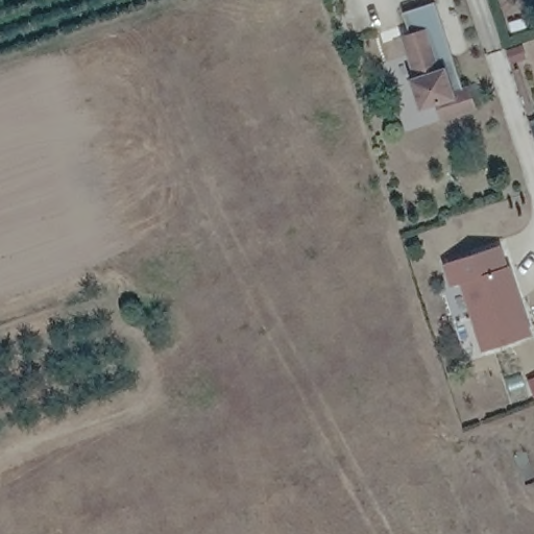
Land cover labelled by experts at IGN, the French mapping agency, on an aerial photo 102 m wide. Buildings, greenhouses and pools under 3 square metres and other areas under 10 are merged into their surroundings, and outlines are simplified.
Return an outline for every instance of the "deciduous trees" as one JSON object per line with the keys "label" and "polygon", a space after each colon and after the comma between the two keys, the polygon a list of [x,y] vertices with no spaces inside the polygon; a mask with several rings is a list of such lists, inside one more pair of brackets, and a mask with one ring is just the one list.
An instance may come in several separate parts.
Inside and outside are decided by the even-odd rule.
{"label": "deciduous trees", "polygon": [[77,315],[73,319],[52,319],[48,325],[50,344],[42,342],[40,334],[29,327],[21,327],[19,336],[0,340],[0,405],[8,405],[13,409],[6,415],[13,426],[25,428],[35,426],[40,419],[46,417],[63,419],[69,407],[79,409],[92,401],[106,401],[115,392],[134,388],[138,380],[136,371],[129,369],[125,363],[125,355],[129,350],[127,344],[113,332],[111,317],[108,311],[98,309],[92,315]]}
{"label": "deciduous trees", "polygon": [[455,148],[448,150],[451,169],[459,171],[461,175],[471,175],[486,169],[486,190],[467,196],[459,186],[448,184],[446,204],[440,207],[436,204],[434,194],[428,190],[417,192],[415,200],[405,200],[398,192],[398,177],[392,177],[388,181],[390,202],[396,211],[396,217],[409,219],[409,225],[401,229],[401,238],[407,257],[413,261],[419,261],[423,257],[423,244],[419,240],[421,232],[444,225],[446,219],[453,215],[461,215],[478,207],[499,202],[503,188],[507,186],[507,163],[486,152],[480,129],[467,129],[459,142],[455,142]]}
{"label": "deciduous trees", "polygon": [[378,150],[380,154],[388,154],[388,148],[396,148],[398,144],[403,144],[405,140],[401,140],[401,136],[405,129],[401,121],[398,125],[382,125],[378,129]]}
{"label": "deciduous trees", "polygon": [[54,33],[73,31],[79,25],[88,25],[100,19],[108,19],[117,13],[129,10],[129,6],[136,0],[48,0],[50,4],[44,8],[33,8],[31,13],[19,19],[0,23],[0,33],[10,31],[15,27],[23,27],[52,13],[56,13],[60,19],[56,25],[48,25],[38,31],[0,42],[0,54],[29,46]]}
{"label": "deciduous trees", "polygon": [[534,0],[519,0],[524,17],[521,21],[526,25],[534,31]]}
{"label": "deciduous trees", "polygon": [[378,54],[365,50],[365,44],[375,40],[378,33],[375,27],[346,31],[342,27],[340,21],[348,0],[323,0],[334,29],[334,46],[348,69],[357,96],[382,121],[401,117],[401,92],[394,75],[384,67]]}
{"label": "deciduous trees", "polygon": [[136,302],[127,302],[121,307],[121,313],[129,325],[144,330],[154,350],[173,344],[169,305],[165,300],[148,302],[138,296]]}
{"label": "deciduous trees", "polygon": [[461,83],[469,86],[467,100],[474,100],[476,104],[482,106],[496,96],[490,79],[471,81],[465,75],[461,77]]}
{"label": "deciduous trees", "polygon": [[88,302],[90,298],[98,296],[98,284],[94,280],[88,288],[81,286],[67,298],[67,305]]}

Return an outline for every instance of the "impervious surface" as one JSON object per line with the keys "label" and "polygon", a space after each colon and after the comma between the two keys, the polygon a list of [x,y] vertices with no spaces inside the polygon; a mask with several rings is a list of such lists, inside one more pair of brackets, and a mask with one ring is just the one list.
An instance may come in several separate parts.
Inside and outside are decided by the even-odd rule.
{"label": "impervious surface", "polygon": [[398,29],[378,33],[375,40],[365,44],[365,50],[378,54],[384,67],[394,75],[401,92],[401,117],[401,121],[405,129],[409,131],[426,127],[438,121],[436,108],[417,108],[415,104],[413,88],[407,75],[409,71],[413,71],[413,67],[405,60],[405,48]]}
{"label": "impervious surface", "polygon": [[448,319],[457,332],[463,350],[471,357],[471,361],[494,357],[501,353],[511,353],[517,344],[521,346],[534,340],[534,325],[528,327],[530,336],[526,338],[482,350],[471,319],[465,317],[465,294],[459,286],[444,288],[442,300]]}

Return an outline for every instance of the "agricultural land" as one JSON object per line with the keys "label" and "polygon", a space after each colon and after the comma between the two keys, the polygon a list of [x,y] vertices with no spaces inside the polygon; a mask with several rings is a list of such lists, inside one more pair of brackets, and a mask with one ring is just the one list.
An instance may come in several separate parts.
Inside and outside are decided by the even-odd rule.
{"label": "agricultural land", "polygon": [[67,298],[81,286],[88,288],[94,280],[98,271],[96,265],[138,244],[131,229],[127,229],[127,223],[121,223],[121,217],[127,211],[131,211],[131,207],[127,202],[127,192],[117,181],[117,177],[123,173],[123,165],[134,163],[134,159],[131,152],[115,156],[108,148],[108,134],[104,131],[108,125],[113,125],[115,119],[113,115],[104,113],[102,92],[108,83],[94,75],[75,77],[73,60],[67,54],[46,54],[38,58],[27,58],[23,65],[15,69],[0,71],[0,317],[13,315],[15,311],[42,302],[46,298]]}

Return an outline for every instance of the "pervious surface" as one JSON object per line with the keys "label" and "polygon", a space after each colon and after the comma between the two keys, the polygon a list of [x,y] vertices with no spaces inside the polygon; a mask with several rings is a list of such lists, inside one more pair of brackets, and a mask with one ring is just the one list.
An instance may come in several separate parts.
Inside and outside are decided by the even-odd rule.
{"label": "pervious surface", "polygon": [[378,33],[398,29],[401,10],[411,10],[421,4],[436,2],[446,42],[451,46],[451,52],[457,54],[467,50],[467,42],[459,17],[448,10],[448,4],[444,0],[348,0],[340,21],[342,27],[346,31],[375,27]]}
{"label": "pervious surface", "polygon": [[144,330],[129,325],[121,313],[111,317],[113,332],[127,344],[131,344],[140,353],[140,365],[136,371],[138,380],[134,388],[115,392],[106,401],[92,401],[79,409],[69,407],[63,419],[46,417],[40,419],[35,426],[25,428],[15,440],[4,438],[4,446],[0,446],[0,474],[38,455],[50,453],[60,446],[77,444],[92,436],[111,432],[115,426],[134,423],[144,415],[154,413],[154,409],[167,396],[163,394],[163,378],[156,367],[154,350]]}
{"label": "pervious surface", "polygon": [[505,238],[501,244],[503,254],[509,259],[509,267],[521,298],[534,290],[534,119],[528,121],[528,117],[524,115],[524,100],[517,96],[513,75],[507,52],[503,50],[503,44],[499,40],[490,6],[486,0],[474,0],[471,17],[480,38],[478,48],[480,56],[488,58],[490,79],[496,96],[501,98],[505,119],[524,167],[524,186],[532,200],[530,225],[521,234]]}
{"label": "pervious surface", "polygon": [[121,307],[127,302],[136,302],[138,296],[129,292],[134,280],[129,275],[123,275],[119,271],[98,271],[94,280],[98,284],[119,286],[123,290],[119,298]]}

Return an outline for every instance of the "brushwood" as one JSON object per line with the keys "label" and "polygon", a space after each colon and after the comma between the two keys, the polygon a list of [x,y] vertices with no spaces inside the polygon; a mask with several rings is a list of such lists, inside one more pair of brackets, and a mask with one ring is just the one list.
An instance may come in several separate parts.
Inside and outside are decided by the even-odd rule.
{"label": "brushwood", "polygon": [[440,332],[434,342],[440,363],[446,367],[446,371],[455,375],[457,382],[465,382],[471,361],[471,357],[463,350],[457,332],[448,319],[440,321]]}
{"label": "brushwood", "polygon": [[507,15],[503,15],[501,8],[505,0],[486,0],[490,6],[499,40],[503,44],[503,50],[507,52],[519,50],[524,46],[526,42],[534,40],[534,31],[526,25],[519,31],[509,29]]}
{"label": "brushwood", "polygon": [[476,426],[486,426],[496,417],[534,405],[534,396],[488,411],[484,417],[463,421],[463,430],[469,430]]}

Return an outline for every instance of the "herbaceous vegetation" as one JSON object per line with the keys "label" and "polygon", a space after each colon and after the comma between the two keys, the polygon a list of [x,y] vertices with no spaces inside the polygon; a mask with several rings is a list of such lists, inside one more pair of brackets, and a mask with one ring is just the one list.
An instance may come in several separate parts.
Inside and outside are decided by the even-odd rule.
{"label": "herbaceous vegetation", "polygon": [[519,31],[526,25],[521,21],[524,17],[519,0],[505,0],[501,8],[503,15],[507,15],[509,29]]}
{"label": "herbaceous vegetation", "polygon": [[98,296],[90,298],[88,302],[67,305],[67,298],[46,298],[42,302],[15,311],[13,315],[0,317],[0,340],[19,336],[21,327],[29,327],[40,334],[42,342],[50,344],[48,325],[52,319],[73,319],[77,315],[92,315],[98,309],[108,311],[111,317],[121,313],[121,307],[119,298],[123,290],[119,286],[98,284]]}
{"label": "herbaceous vegetation", "polygon": [[[38,58],[46,54],[67,54],[73,60],[75,77],[94,75],[108,83],[102,92],[104,113],[113,115],[115,119],[113,125],[108,125],[104,131],[108,134],[108,148],[115,156],[131,152],[134,159],[134,163],[123,165],[123,173],[117,177],[117,181],[127,192],[127,202],[131,207],[131,211],[127,211],[121,217],[121,223],[127,223],[127,229],[131,229],[138,244],[96,265],[98,271],[119,271],[123,275],[129,275],[134,280],[129,292],[138,296],[148,302],[165,300],[169,305],[173,344],[154,350],[156,367],[163,378],[163,394],[167,396],[154,409],[154,413],[144,415],[134,423],[115,426],[111,432],[92,436],[77,444],[60,446],[50,453],[38,455],[0,474],[0,534],[534,534],[534,405],[496,417],[486,426],[476,426],[469,430],[463,430],[463,421],[484,417],[488,411],[534,396],[534,340],[521,346],[517,344],[511,353],[501,353],[494,357],[471,361],[465,382],[457,382],[455,375],[446,371],[446,367],[440,363],[434,342],[440,332],[440,321],[448,319],[442,300],[444,288],[444,277],[448,275],[448,269],[444,267],[444,263],[501,244],[505,238],[521,234],[530,225],[532,200],[524,186],[524,167],[505,119],[501,98],[496,96],[482,106],[476,104],[471,106],[467,117],[455,119],[448,127],[444,127],[438,121],[426,127],[409,131],[405,129],[401,136],[401,140],[405,140],[403,144],[398,144],[396,148],[388,148],[388,154],[380,154],[378,150],[378,129],[382,125],[398,125],[401,121],[401,117],[382,121],[357,96],[348,69],[334,46],[334,29],[323,0],[136,0],[129,6],[129,10],[117,13],[108,19],[100,19],[88,25],[79,25],[73,31],[54,33],[29,46],[0,54],[0,71],[15,69],[23,65],[27,58]],[[407,257],[401,238],[401,229],[409,225],[409,219],[396,217],[396,211],[390,202],[388,181],[392,177],[398,177],[398,192],[405,200],[415,200],[417,192],[428,190],[434,194],[436,204],[440,207],[446,204],[448,184],[459,186],[467,196],[486,190],[486,169],[471,175],[461,175],[459,171],[451,169],[448,150],[455,148],[455,142],[459,142],[467,129],[480,129],[486,152],[507,163],[507,186],[503,188],[499,202],[478,207],[461,215],[453,215],[446,219],[444,225],[421,232],[419,240],[423,244],[423,257],[419,261],[413,261]]]}
{"label": "herbaceous vegetation", "polygon": [[467,50],[457,54],[465,75],[471,81],[490,79],[488,58],[480,56],[478,48],[480,38],[471,17],[474,0],[444,0],[448,4],[448,10],[459,17],[467,42]]}
{"label": "herbaceous vegetation", "polygon": [[528,327],[534,325],[534,290],[521,298],[521,307],[528,317]]}
{"label": "herbaceous vegetation", "polygon": [[19,19],[31,13],[33,8],[44,8],[50,4],[48,0],[0,0],[0,23]]}
{"label": "herbaceous vegetation", "polygon": [[140,365],[140,353],[131,344],[127,344],[129,350],[125,355],[125,363],[129,369],[136,371]]}
{"label": "herbaceous vegetation", "polygon": [[524,46],[519,71],[515,71],[513,75],[517,96],[524,100],[524,115],[528,117],[528,121],[534,119],[534,40],[526,42]]}
{"label": "herbaceous vegetation", "polygon": [[38,31],[48,25],[56,25],[60,19],[56,13],[52,13],[23,27],[15,27],[10,31],[0,33],[0,42]]}
{"label": "herbaceous vegetation", "polygon": [[6,415],[13,409],[8,405],[0,405],[0,446],[4,446],[4,438],[15,440],[25,428],[13,426]]}

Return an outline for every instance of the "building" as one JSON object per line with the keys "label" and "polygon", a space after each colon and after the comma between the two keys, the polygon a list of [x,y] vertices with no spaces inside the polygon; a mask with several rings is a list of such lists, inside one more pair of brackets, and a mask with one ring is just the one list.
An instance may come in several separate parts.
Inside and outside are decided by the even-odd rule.
{"label": "building", "polygon": [[528,327],[528,317],[521,307],[521,298],[509,267],[509,259],[503,254],[501,244],[444,263],[444,267],[448,269],[448,275],[444,277],[444,288],[459,286],[465,294],[465,317],[471,319],[482,350],[526,338],[530,336]]}
{"label": "building", "polygon": [[465,75],[457,54],[451,52],[451,46],[446,42],[436,2],[421,4],[411,10],[401,10],[398,29],[405,48],[405,60],[413,67],[413,71],[409,71],[407,75],[413,88],[415,104],[417,108],[436,108],[438,121],[444,127],[448,127],[455,119],[467,117],[471,106],[476,104],[474,100],[467,100],[469,86],[461,83],[461,77]]}
{"label": "building", "polygon": [[507,52],[513,75],[515,71],[519,71],[524,46],[519,50]]}

